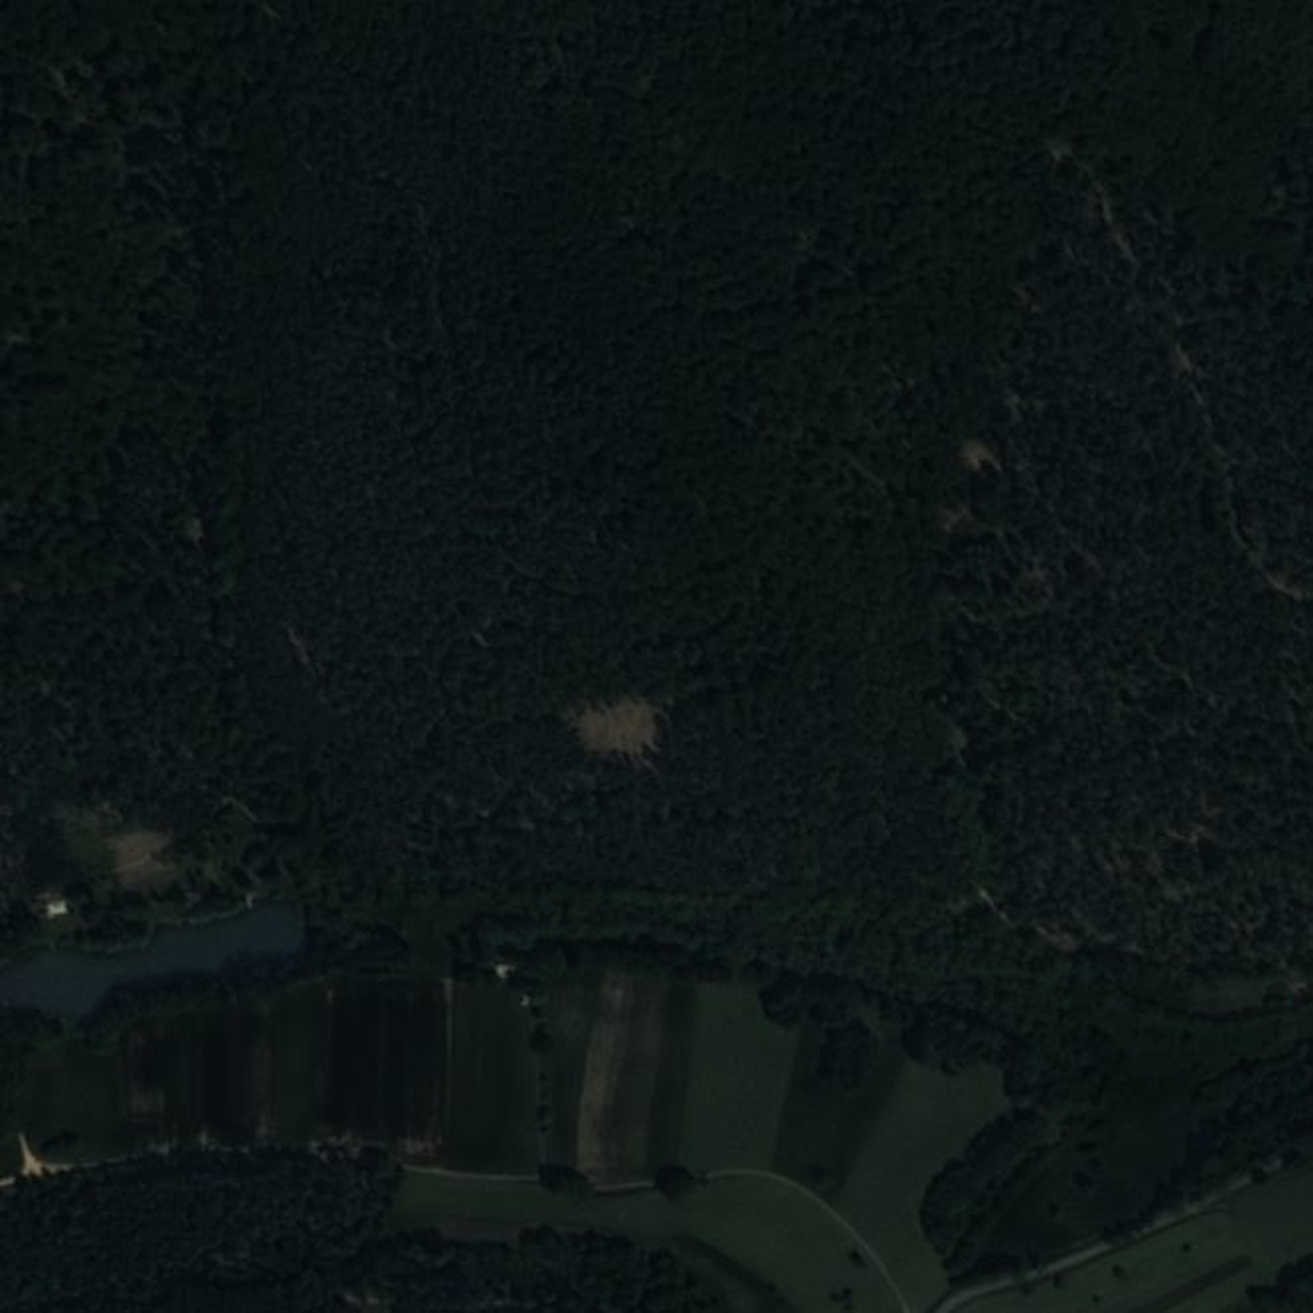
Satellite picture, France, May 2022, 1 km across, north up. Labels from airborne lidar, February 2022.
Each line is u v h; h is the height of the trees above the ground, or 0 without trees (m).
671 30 24
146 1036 0
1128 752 13
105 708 23
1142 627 27
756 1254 0
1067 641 27
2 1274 7
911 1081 0
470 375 26
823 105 27
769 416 24
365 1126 0
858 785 20
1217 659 26
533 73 19
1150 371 27
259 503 22
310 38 30
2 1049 10
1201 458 19
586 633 29
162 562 15
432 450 31
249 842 0
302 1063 0
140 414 19
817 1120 0
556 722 27
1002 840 27
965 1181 23
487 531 16
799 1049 0
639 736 0
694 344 29
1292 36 30
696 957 9
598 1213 0
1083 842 30
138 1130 0
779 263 26
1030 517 29
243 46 32
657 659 29
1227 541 26
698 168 15
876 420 34
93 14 35
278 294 22
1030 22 32
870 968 23
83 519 8
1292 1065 8
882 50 32
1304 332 14
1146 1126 0
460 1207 0
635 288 26
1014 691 27
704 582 26
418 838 21
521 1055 0
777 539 28
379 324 31
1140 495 19
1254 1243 0
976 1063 17
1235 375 26
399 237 28
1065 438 27
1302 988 27
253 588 22
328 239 20
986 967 17
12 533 28
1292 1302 28
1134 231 15
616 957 14
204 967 0
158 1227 14
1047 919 22
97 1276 14
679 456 28
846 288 30
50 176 25
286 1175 25
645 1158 0
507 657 28
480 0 24
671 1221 0
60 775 12
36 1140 0
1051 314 27
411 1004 0
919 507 31
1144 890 25
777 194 21
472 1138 0
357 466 30
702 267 24
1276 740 31
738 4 31
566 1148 0
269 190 20
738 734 33
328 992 0
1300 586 26
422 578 29
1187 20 18
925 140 24
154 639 6
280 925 0
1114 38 24
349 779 30
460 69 29
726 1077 0
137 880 0
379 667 32
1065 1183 0
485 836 23
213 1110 0
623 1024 0
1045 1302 0
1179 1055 0
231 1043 0
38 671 20
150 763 31
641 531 31
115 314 24
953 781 18
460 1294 32
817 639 24
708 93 24
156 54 41
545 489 21
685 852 30
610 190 26
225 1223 12
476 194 28
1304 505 26
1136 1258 0
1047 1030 15
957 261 31
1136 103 20
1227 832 25
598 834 27
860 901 28
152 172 35
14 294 32
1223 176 20
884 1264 0
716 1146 0
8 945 25
